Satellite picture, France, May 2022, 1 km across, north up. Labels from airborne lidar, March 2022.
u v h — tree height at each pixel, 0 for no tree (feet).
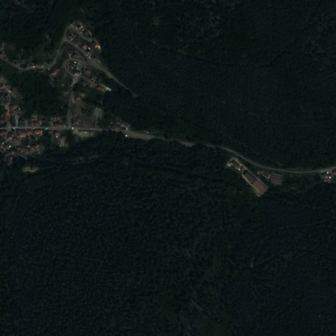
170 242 100
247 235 118
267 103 83
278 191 31
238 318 98
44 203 69
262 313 78
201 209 103
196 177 80
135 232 52
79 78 0
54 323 93
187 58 68
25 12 25
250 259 70
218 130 82
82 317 90
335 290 72
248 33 32
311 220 61
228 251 31
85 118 0
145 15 91
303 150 71
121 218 99
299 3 70
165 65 86
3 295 105
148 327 103
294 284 73
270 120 85
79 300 93
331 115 89
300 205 68
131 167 30
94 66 0
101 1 57
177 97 78
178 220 86
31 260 106
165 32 57
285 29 93
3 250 66
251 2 84
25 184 29
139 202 68
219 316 0
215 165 26
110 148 36
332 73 78
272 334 90
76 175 104
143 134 0
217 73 86
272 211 74
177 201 104
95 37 22
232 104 76
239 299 113
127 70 80
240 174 0
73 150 50
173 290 50
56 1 59
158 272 71
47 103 26
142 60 76
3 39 58
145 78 87
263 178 36
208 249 106
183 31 86
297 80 92
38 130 0
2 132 0
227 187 73
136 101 89
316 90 89
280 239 108
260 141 72
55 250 101
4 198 35
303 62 72
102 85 0
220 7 29
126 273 27
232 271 75
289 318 85
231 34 36
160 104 91
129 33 75
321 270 71
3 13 56
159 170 74
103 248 48
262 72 72
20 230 112
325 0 75
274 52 87
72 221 100
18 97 0
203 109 56
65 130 0
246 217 28
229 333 0
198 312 124
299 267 73
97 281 73
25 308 101
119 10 85
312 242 65
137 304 87
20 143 0
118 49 98
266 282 116
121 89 61
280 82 92
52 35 99
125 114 74
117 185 63
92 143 94
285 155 94
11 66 0
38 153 0
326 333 66
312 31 91
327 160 47
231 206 23
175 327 20
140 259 55
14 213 89
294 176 0
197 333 106
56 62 0
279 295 68
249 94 81
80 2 52
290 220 54
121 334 68
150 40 70
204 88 71
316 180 80
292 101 85
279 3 92
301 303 69
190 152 73
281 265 105
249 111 91
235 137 53
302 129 77
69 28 0
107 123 0
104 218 101
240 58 31
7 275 126
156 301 77
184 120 73
